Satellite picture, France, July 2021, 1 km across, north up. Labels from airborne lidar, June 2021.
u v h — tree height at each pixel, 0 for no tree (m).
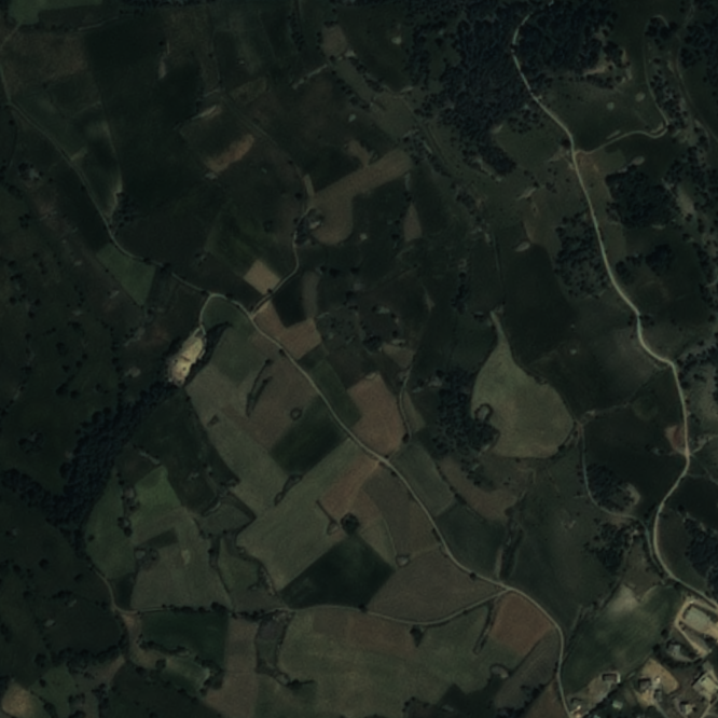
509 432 0
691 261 0
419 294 0
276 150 0
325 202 0
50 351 0
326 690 0
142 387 0
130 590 0
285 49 0
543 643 0
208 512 0
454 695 0
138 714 0
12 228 0
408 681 0
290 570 0
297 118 0
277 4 0
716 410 0
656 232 0
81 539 16
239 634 0
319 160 0
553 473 0
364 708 0
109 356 0
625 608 0
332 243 0
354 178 0
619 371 0
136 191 0
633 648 0
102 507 0
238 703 0
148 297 0
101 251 0
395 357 0
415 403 0
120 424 16
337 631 0
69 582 0
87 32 0
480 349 0
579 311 0
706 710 0
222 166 0
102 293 0
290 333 0
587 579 0
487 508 0
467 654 0
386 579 0
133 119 0
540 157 0
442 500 0
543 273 0
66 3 0
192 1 6
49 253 0
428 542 0
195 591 0
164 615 0
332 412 0
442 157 0
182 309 0
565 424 0
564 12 9
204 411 0
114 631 0
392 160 0
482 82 13
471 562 0
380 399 0
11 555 0
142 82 0
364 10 0
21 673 0
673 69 0
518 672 0
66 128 0
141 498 0
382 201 0
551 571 0
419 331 0
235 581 0
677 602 0
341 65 0
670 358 0
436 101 7
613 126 0
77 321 0
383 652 0
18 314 0
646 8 0
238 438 0
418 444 0
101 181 0
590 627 0
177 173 0
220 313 0
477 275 0
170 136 0
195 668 0
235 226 0
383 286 0
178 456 0
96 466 15
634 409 0
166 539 0
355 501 0
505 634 0
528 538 0
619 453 0
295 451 0
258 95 0
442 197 0
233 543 0
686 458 0
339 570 0
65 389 12
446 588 0
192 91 0
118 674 0
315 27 0
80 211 0
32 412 0
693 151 9
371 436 0
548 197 0
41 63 0
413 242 0
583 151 0
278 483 0
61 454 0
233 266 0
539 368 0
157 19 0
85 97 0
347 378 0
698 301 0
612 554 10
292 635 0
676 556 0
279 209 0
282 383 0
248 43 0
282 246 0
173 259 0
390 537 0
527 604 0
